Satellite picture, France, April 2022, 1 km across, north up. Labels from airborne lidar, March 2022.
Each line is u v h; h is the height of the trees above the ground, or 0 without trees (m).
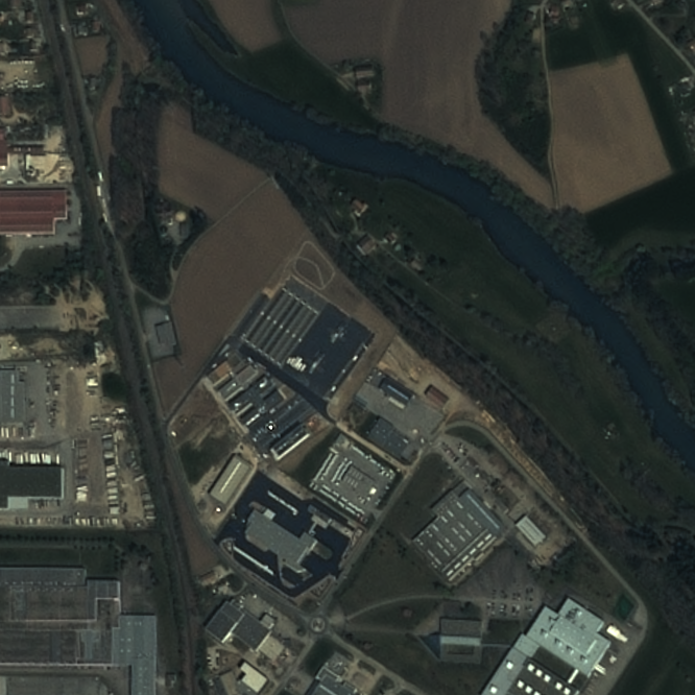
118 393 0
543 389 0
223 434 0
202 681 9
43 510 0
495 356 0
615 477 0
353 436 0
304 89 0
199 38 0
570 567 11
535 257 0
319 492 0
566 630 0
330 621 0
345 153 0
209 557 0
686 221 0
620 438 0
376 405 0
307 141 0
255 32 0
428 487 0
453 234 0
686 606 27
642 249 15
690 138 0
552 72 0
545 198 0
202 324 0
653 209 0
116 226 16
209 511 0
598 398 0
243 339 0
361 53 0
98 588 0
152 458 0
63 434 0
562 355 25
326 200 18
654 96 0
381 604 0
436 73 0
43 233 0
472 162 16
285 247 0
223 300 0
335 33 0
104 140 0
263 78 0
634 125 0
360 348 0
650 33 0
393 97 0
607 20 0
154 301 0
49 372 0
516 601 0
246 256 0
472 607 13
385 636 0
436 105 0
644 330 0
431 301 0
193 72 0
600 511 32
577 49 0
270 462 0
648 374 0
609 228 0
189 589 0
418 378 0
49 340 0
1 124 0
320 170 0
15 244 0
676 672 0
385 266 14
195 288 0
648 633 0
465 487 0
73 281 9
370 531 0
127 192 26
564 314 17
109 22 0
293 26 0
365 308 0
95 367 0
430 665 0
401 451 0
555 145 0
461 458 0
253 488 0
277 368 0
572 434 0
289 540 0
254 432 0
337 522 0
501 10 0
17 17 0
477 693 0
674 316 16
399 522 0
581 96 0
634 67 0
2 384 0
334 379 0
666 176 0
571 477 20
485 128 0
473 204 0
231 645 0
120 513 0
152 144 23
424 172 0
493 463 0
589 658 0
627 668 0
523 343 15
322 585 0
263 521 0
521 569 0
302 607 0
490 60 23
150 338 0
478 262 0
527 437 22
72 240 0
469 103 0
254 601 0
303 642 0
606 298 11
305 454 0
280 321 0
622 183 0
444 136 0
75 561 0
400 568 0
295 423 0
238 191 0
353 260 19
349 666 0
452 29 0
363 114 0
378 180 11
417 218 0
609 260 21
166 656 0
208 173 0
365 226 7
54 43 0
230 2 0
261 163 16
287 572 0
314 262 0
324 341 0
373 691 0
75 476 0
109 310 7
